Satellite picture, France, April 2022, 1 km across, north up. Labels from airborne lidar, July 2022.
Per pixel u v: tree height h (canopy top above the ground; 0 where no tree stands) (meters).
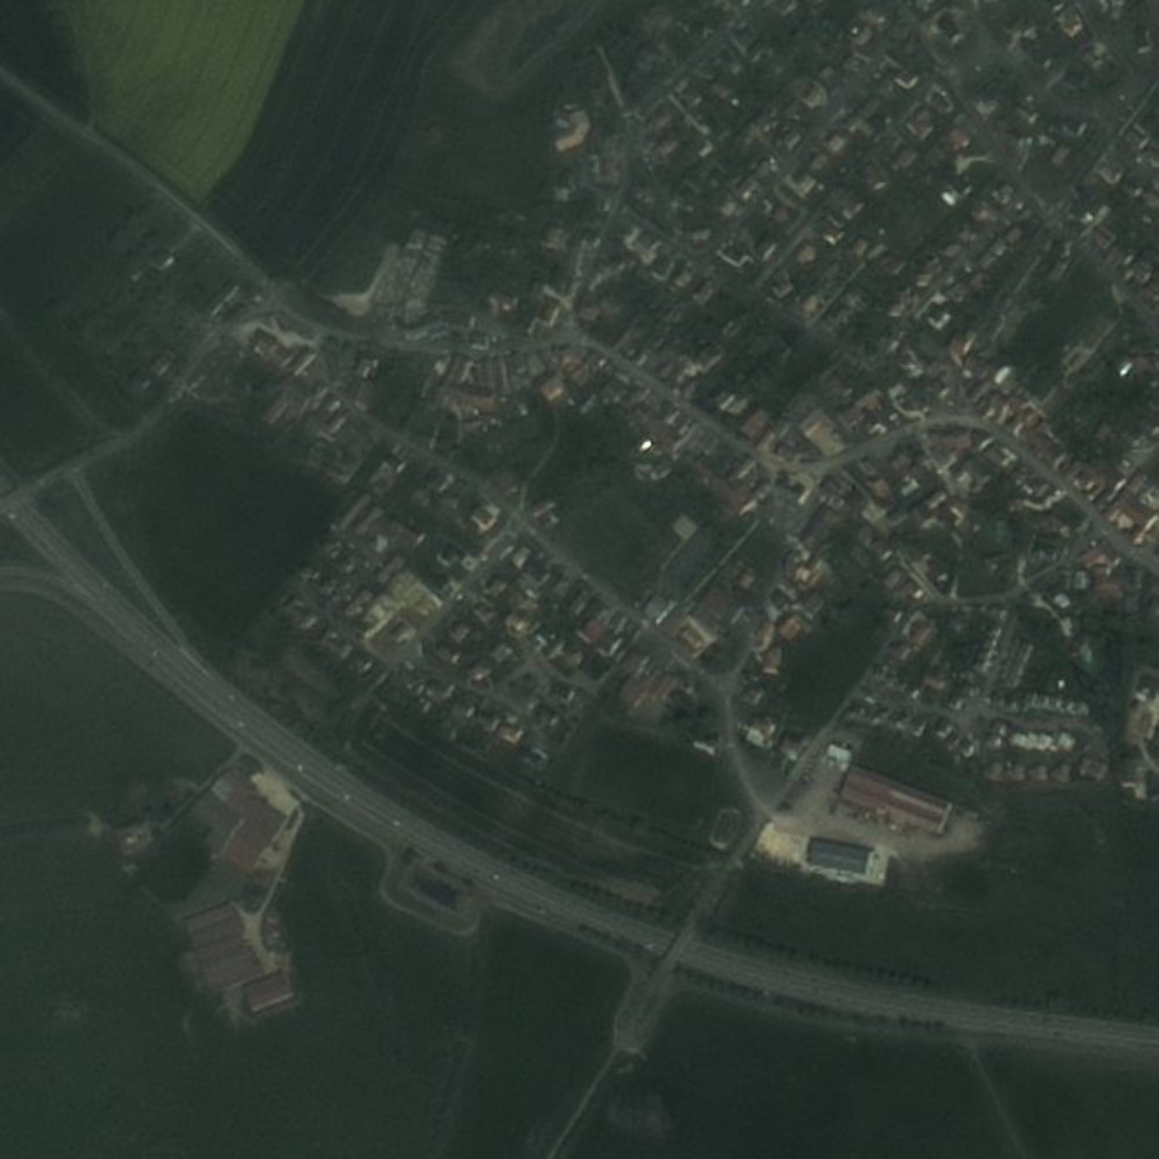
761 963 0
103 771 0
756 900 0
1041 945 0
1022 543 15
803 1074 0
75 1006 0
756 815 0
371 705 0
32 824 0
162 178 0
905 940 0
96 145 0
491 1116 0
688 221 7
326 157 0
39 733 0
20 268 0
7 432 0
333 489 0
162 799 0
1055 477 0
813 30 11
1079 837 0
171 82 0
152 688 0
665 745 0
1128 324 14
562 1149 5
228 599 0
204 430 0
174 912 0
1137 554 0
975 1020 0
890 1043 0
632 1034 0
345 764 6
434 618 0
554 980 0
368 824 0
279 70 0
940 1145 0
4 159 0
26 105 0
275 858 0
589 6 0
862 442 0
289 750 0
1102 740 0
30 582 0
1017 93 0
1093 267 0
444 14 0
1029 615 9
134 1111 0
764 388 11
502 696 0
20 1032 0
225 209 0
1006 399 0
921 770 0
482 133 0
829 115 0
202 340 0
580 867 0
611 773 0
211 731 0
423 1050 0
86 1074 0
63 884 0
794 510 0
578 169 9
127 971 0
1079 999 0
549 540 0
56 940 0
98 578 0
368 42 0
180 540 0
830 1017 12
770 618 7
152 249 10
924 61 9
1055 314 0
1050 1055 0
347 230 0
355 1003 0
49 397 0
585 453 0
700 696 12
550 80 0
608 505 0
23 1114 0
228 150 0
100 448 0
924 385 12
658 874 0
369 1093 0
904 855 0
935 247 6
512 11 0
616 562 0
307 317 0
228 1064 0
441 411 10
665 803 0
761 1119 0
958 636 0
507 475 0
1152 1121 0
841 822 0
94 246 0
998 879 0
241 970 0
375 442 7
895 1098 0
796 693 0
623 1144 0
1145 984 0
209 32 0
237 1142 0
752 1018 0
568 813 0
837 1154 0
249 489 0
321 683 0
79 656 0
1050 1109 0
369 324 0
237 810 0
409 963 0
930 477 10
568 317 0
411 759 0
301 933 0
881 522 0
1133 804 6
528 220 0
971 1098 0
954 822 0
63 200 0
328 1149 0
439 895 0
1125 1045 0
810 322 0
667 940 0
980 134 0
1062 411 0
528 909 0
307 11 0
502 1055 0
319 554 0
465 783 0
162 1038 0
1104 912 0
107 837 0
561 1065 0
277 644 0
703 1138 0
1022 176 0
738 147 7
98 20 0
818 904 0
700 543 0
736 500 0
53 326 0
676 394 0
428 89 0
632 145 0
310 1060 0
